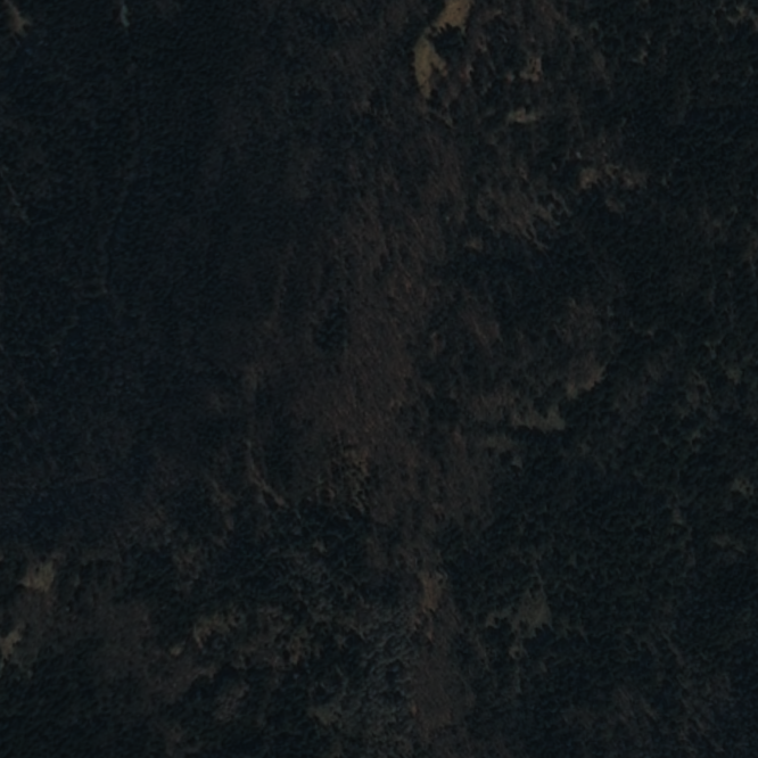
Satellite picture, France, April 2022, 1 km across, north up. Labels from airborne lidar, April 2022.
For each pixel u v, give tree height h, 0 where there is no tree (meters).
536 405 22
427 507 24
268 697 29
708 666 32
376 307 20
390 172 21
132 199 24
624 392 26
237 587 18
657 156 24
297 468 16
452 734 27
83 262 28
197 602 19
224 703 24
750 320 31
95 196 27
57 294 28
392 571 21
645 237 22
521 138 21
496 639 27
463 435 22
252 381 13
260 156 23
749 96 31
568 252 25
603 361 21
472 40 16
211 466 16
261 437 17
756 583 9
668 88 32
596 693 27
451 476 22
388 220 17
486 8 17
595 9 22
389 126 19
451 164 23
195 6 26
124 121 29
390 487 23
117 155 32
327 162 14
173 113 29
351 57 15
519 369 20
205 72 27
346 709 22
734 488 12
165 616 15
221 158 24
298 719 18
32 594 18
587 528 26
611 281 28
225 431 19
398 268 19
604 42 9
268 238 17
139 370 28
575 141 25
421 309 29
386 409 22
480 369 24
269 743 18
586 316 33
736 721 31
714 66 24
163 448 20
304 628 21
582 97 27
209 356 19
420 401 19
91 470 23
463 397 23
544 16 23
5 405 28
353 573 6
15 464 23
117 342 26
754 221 28
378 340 18
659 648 24
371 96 15
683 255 28
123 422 27
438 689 27
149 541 17
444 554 29
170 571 16
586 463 27
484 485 30
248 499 17
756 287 28
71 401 18
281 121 18
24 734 31
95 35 26
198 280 23
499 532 25
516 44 17
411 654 27
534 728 31
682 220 25
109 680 29
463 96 16
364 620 20
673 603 28
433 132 23
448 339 26
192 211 22
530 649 21
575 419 31
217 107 27
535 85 24
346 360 18
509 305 29
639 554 14
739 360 25
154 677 22
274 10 21
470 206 19
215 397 18
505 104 23
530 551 28
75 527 18
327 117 18
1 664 14
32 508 17
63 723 31
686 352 28
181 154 24
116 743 27
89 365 32
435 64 0
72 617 25
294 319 17
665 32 23
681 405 19
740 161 30
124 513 22
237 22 23
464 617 27
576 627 18
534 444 22
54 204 32
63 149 31
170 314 27
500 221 21
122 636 22
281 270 16
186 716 24
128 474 19
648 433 22
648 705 27
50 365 27
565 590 31
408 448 24
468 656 30
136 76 25
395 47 11
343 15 16
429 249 27
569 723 34
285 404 15
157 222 25
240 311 17
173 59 27
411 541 22
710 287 34
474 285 28
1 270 31
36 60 28
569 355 25
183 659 17
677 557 27
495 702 31
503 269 15
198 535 23
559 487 29
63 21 32
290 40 18
